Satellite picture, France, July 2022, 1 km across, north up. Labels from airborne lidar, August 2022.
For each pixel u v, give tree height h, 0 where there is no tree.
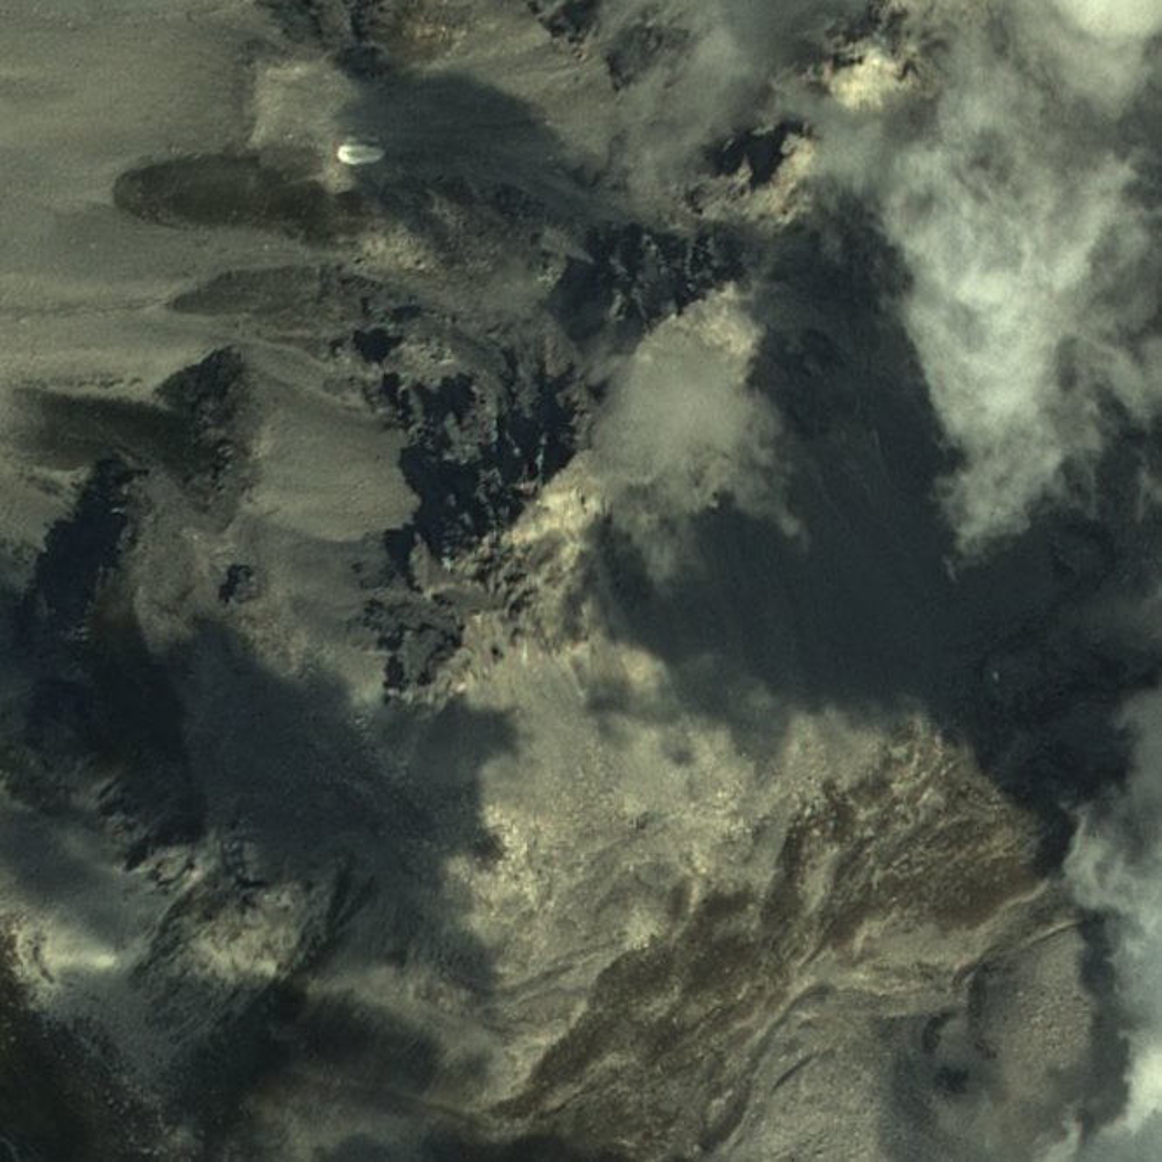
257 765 0
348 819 0
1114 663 0
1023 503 0
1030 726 0
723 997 0
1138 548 0
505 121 0
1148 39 0
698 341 0
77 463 0
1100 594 0
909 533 0
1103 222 0
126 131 0
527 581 0
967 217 0
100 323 0
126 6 0
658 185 0
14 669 0
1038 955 0
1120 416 0
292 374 0
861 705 0
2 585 0
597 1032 0
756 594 0
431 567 0
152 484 0
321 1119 0
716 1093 0
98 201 0
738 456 0
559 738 0
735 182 0
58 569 0
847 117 0
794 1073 0
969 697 0
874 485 0
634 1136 0
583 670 0
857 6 0
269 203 0
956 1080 0
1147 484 0
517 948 0
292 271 0
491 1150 0
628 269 0
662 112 0
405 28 0
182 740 0
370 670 0
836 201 0
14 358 0
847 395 0
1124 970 0
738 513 0
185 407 0
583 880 0
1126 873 0
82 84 0
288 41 0
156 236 0
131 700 0
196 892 0
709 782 0
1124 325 0
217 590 0
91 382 0
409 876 0
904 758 0
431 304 0
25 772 0
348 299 0
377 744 0
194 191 0
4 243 0
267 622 0
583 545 0
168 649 0
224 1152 0
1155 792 0
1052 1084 0
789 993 0
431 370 0
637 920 0
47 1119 0
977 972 0
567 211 0
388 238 0
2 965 0
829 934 0
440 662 0
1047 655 0
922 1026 0
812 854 0
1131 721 0
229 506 0
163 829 0
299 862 0
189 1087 0
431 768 0
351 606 0
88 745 0
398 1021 0
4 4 0
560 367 0
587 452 0
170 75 0
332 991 0
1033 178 0
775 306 0
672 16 0
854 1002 0
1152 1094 0
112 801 0
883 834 0
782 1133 0
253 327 0
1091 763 0
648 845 0
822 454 0
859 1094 0
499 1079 0
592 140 0
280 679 0
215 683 0
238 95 0
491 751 0
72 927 0
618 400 0
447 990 0
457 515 7
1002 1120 0
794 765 0
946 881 0
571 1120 0
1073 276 0
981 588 0
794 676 0
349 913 0
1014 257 0
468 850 0
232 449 0
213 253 0
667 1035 0
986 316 0
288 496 0
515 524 0
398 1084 0
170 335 0
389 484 0
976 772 0
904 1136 0
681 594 0
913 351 0
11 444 0
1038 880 0
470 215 0
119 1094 0
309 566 0
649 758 0
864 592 0
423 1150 0
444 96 0
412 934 0
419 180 0
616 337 0
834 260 0
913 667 0
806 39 0
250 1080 0
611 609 0
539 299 0
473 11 0
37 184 0
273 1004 0
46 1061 0
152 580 0
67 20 0
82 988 0
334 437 0
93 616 0
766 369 0
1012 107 0
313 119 0
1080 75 0
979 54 0
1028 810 0
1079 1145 0
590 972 0
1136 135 0
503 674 0
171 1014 0
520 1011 0
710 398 0
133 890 0
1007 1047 0
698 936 0
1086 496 0
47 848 0
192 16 0
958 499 0
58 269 0
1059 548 0
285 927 0
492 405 0
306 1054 0
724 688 0
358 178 0
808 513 0
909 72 0
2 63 0
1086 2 0
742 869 0
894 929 0
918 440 0
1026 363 0
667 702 0
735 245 0
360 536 0
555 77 0
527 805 0
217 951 0
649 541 0
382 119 0
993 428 0
